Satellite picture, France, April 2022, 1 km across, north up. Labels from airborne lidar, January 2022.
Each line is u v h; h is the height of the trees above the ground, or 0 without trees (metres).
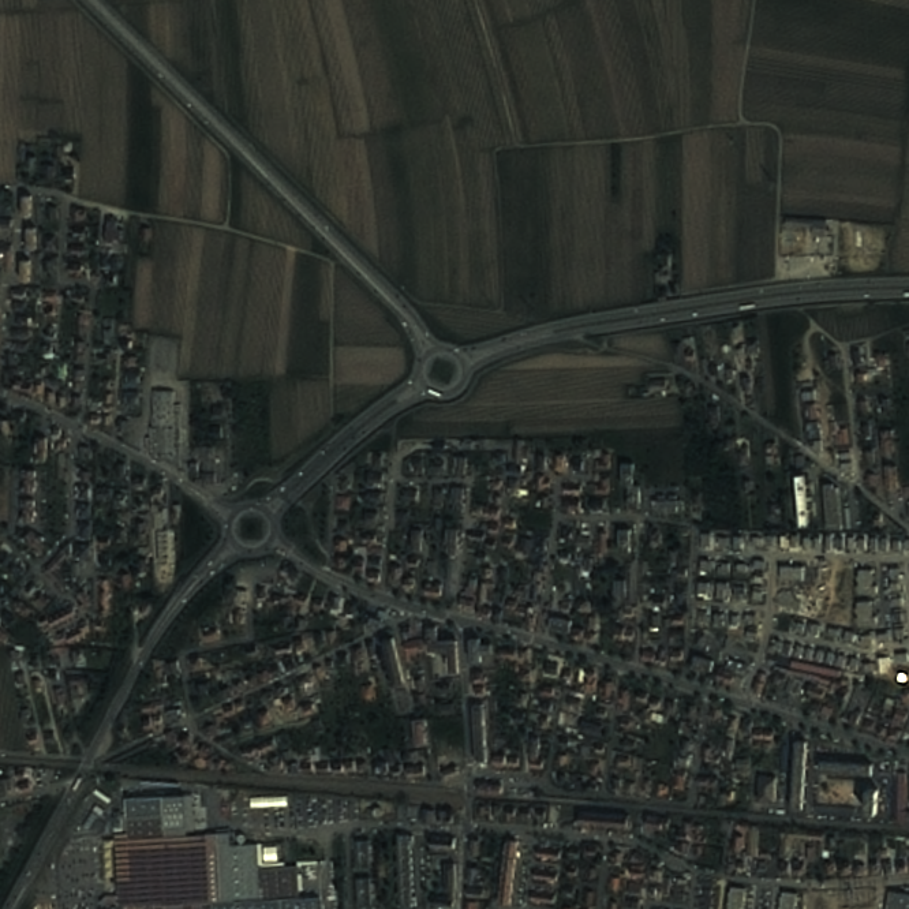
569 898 6
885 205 0
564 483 0
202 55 0
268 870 0
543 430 0
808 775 0
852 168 0
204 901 0
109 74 0
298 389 0
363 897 0
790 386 0
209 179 0
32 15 0
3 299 0
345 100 0
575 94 0
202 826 0
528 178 0
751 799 0
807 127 0
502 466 0
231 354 0
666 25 0
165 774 0
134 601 8
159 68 0
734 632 0
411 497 0
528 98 0
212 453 0
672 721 6
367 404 0
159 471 0
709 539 0
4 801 0
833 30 0
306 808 0
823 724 0
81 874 0
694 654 0
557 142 0
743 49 0
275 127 0
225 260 0
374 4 0
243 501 0
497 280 0
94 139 0
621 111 0
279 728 0
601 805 0
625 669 0
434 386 0
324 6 0
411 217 0
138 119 0
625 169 0
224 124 0
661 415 0
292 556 0
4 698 0
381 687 0
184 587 0
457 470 0
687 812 0
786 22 0
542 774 0
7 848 0
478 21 0
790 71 0
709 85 0
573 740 6
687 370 0
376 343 0
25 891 0
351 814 0
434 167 0
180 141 0
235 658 0
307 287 0
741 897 0
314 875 0
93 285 0
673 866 0
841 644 0
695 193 0
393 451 0
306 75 0
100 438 0
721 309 0
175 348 0
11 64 0
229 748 0
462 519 0
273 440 0
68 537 0
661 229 0
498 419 0
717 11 0
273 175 0
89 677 10
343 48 0
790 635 0
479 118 0
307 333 0
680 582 0
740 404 0
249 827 0
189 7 0
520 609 0
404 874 0
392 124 0
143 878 0
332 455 0
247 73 0
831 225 0
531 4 0
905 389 0
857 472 0
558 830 0
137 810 0
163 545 0
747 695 0
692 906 0
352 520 5
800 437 0
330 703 0
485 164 0
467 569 0
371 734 0
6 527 8
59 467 0
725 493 8
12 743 0
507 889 0
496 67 0
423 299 0
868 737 0
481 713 0
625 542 0
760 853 0
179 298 0
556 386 0
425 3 0
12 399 0
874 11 0
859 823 0
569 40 0
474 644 0
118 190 0
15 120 0
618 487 0
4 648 0
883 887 0
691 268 0
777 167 0
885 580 0
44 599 0
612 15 0
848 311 0
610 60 0
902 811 0
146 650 0
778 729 8
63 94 0
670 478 0
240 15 0
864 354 0
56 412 0
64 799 0
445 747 0
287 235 0
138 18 0
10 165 0
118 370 0
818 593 0
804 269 0
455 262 0
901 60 0
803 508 0
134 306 0
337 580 0
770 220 0
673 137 0
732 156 0
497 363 0
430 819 0
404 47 0
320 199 0
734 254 0
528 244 0
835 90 0
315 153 0
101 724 0
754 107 0
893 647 0
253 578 0
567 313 0
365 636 0
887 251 0
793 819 0
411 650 0
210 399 0
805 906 0
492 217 0
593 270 0
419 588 0
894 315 0
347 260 0
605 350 0
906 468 0
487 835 6
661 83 0
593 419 0
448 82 0
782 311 0
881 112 0
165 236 0
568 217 0
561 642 7
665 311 0
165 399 0
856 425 0
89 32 0
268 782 0
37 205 0
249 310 0
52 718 0
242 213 0
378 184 0
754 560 0
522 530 6
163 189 0
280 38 0
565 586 10
